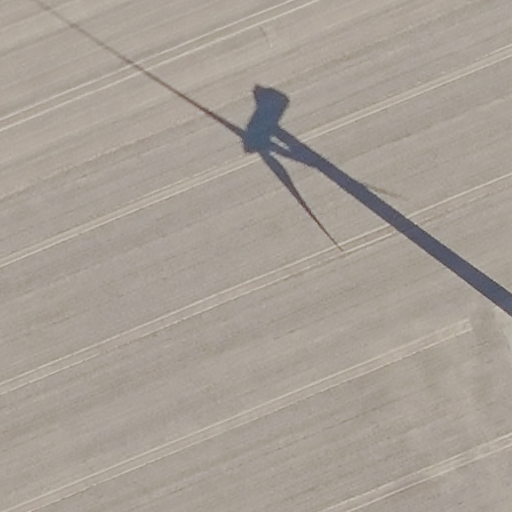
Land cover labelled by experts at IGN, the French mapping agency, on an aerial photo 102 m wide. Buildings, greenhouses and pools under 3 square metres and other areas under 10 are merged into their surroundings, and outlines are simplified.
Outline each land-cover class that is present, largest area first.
<instances>
[{"label":"agricultural land","instance_id":"1","mask_svg":"<svg viewBox=\"0 0 512 512\"><path fill-rule=\"evenodd\" d=\"M512 296V0H0V512H512V346L504 334L494 330L492 308L502 306Z\"/></svg>","mask_w":512,"mask_h":512},{"label":"pervious surface","instance_id":"2","mask_svg":"<svg viewBox=\"0 0 512 512\"><path fill-rule=\"evenodd\" d=\"M494 330L504 334L512 346V296L502 306L492 308Z\"/></svg>","mask_w":512,"mask_h":512}]
</instances>
